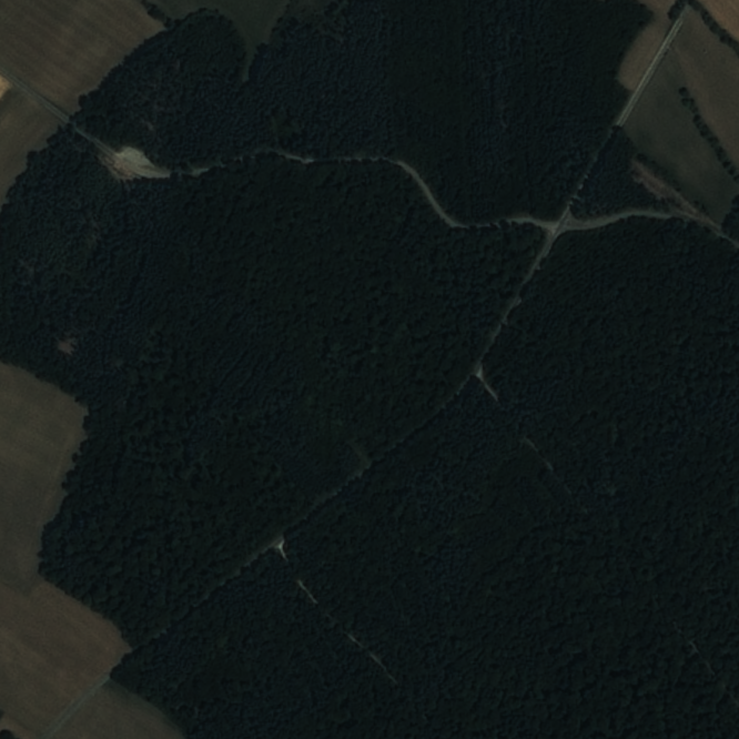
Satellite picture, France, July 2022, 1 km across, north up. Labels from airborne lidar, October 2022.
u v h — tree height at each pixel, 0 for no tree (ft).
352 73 69
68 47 0
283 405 57
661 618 66
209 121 85
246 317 80
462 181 50
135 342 83
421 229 69
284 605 58
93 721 0
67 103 0
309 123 77
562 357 65
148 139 71
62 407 0
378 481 54
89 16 0
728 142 0
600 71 28
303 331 57
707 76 0
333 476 72
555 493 79
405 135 31
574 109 55
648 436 70
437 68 40
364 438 43
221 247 64
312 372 59
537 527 25
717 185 0
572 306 41
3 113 0
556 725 75
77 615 0
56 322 67
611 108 30
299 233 59
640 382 66
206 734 83
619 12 28
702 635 79
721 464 78
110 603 83
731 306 72
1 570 0
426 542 77
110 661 0
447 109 25
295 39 77
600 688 87
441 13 36
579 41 28
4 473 0
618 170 79
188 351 33
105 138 53
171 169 59
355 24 69
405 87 38
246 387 71
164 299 56
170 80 68
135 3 0
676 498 83
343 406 35
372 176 65
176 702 71
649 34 0
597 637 76
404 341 59
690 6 36
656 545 90
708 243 67
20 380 0
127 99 80
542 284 32
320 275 64
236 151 54
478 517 39
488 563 51
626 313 67
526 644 61
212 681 36
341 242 58
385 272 79
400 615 62
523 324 52
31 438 0
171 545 79
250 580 47
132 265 60
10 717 0
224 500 26
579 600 44
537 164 52
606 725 94
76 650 0
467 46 61
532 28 61
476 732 32
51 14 0
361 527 65
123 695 0
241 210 78
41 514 0
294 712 23
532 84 44
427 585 62
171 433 82
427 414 59
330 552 74
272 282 47
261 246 61
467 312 66
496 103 80
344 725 22
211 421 86
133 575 88
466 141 34
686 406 86
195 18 29
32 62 0
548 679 83
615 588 82
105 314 60
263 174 88
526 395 67
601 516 77
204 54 32
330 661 73
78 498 40
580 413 66
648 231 35
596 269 34
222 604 71
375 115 57
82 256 35
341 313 65
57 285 58
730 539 72
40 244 60
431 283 64
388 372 83
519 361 32
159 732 0
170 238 75
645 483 69
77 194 43
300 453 73
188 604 99
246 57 52
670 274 63
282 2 0
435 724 79
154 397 84
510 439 73
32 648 0
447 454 78
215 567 77
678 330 67
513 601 58
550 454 72
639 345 92
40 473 0
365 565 63
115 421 65
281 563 77
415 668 77
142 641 81
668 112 0
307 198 58
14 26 0
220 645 76
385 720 76
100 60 0
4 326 62
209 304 83
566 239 26
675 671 83
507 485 43
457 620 101
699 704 76
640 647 51
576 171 67
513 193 38
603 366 79
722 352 87
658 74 0
